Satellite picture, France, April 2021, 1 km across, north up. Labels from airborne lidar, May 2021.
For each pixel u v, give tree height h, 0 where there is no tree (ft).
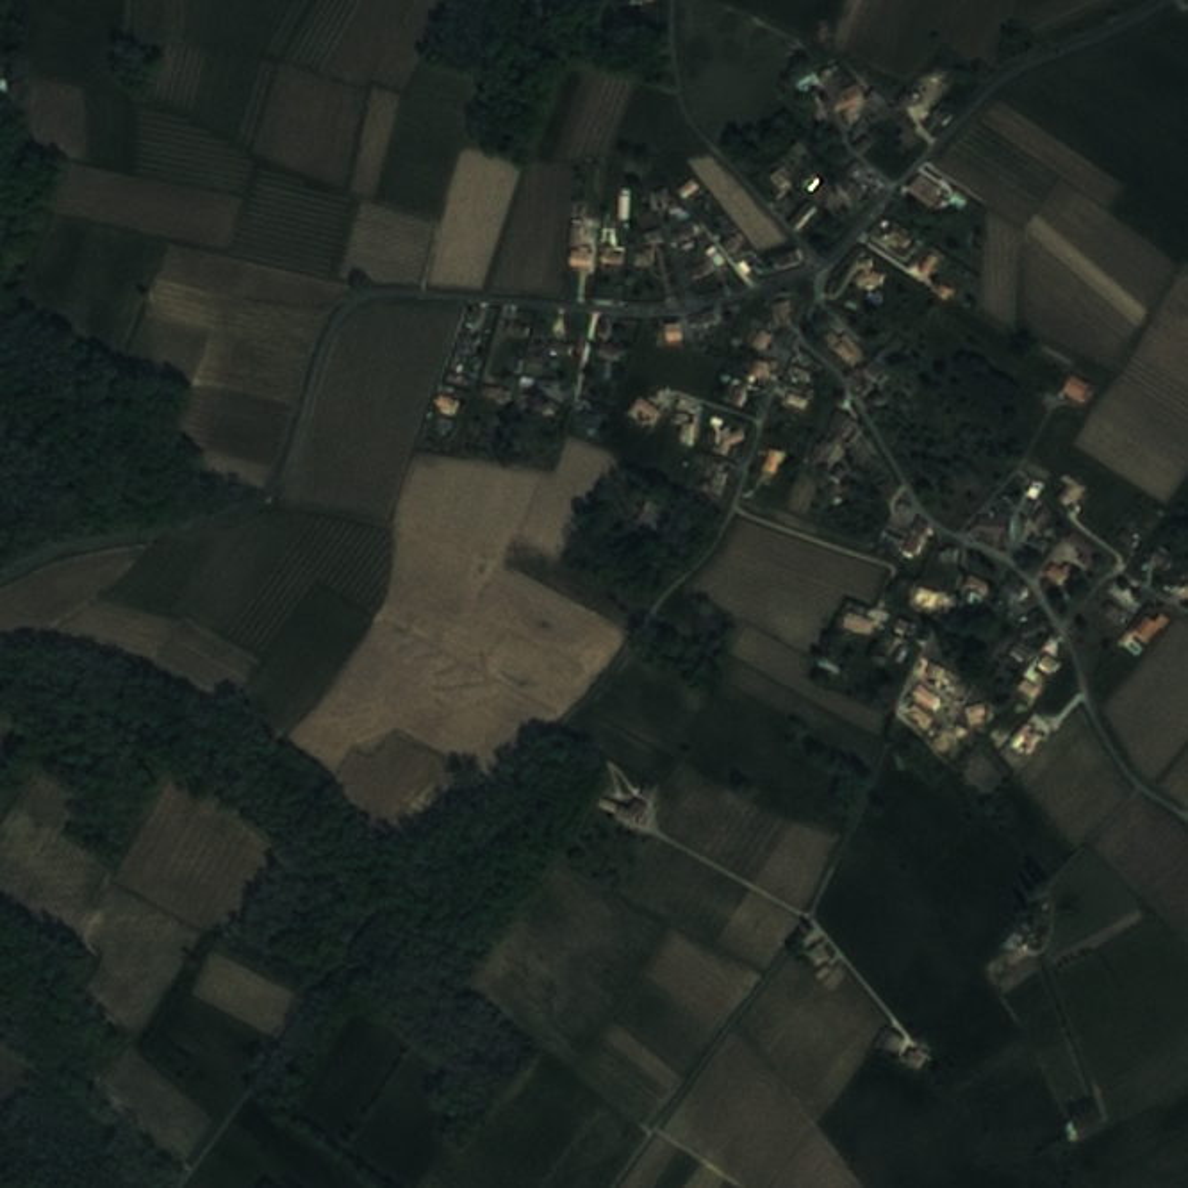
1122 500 0
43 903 0
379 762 0
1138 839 0
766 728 0
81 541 60
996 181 0
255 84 0
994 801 27
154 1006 0
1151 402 0
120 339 0
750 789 68
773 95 0
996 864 0
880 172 0
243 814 47
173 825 0
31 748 68
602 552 68
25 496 77
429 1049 61
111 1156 31
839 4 0
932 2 0
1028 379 0
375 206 0
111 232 0
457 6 53
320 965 64
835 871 0
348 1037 0
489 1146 0
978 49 0
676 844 0
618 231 0
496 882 70
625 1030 0
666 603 0
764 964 0
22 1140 62
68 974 82
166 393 71
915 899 0
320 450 0
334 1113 0
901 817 0
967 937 0
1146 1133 0
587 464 0
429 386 0
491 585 0
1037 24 0
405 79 0
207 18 0
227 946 48
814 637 0
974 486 49
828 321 41
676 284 29
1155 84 0
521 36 83
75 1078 41
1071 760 0
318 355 0
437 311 0
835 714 0
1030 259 0
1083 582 38
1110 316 0
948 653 41
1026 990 0
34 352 73
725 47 0
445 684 0
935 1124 0
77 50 0
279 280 0
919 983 0
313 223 0
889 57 0
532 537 0
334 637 0
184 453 73
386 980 69
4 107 59
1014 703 32
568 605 0
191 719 76
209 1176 0
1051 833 0
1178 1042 0
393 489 0
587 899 0
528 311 0
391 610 0
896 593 33
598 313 0
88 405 80
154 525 62
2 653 68
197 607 0
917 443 17
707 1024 0
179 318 0
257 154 0
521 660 0
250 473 0
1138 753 0
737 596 0
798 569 0
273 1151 0
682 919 0
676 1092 0
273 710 0
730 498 0
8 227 83
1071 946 0
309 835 81
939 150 0
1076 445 0
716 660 31
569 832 64
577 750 58
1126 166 0
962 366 29
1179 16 0
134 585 0
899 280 0
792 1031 0
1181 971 0
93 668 73
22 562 66
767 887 0
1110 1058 0
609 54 81
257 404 0
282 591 0
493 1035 35
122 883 0
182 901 0
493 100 45
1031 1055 0
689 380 0
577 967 0
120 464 94
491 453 25
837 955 0
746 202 0
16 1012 57
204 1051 0
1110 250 0
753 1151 0
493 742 0
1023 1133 0
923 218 41
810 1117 0
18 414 79
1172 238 0
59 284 0
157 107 0
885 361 19
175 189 0
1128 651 0
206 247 0
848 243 0
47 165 78
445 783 0
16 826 0
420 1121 0
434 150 0
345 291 0
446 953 55
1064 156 0
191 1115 0
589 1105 0
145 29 0
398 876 86
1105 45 0
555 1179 0
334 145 0
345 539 0
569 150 0
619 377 27
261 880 0
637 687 0
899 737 45
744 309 0
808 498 0
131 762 76
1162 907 0
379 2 0
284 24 0
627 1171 0
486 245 0
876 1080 0
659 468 0
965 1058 0
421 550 0
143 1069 0
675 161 0
